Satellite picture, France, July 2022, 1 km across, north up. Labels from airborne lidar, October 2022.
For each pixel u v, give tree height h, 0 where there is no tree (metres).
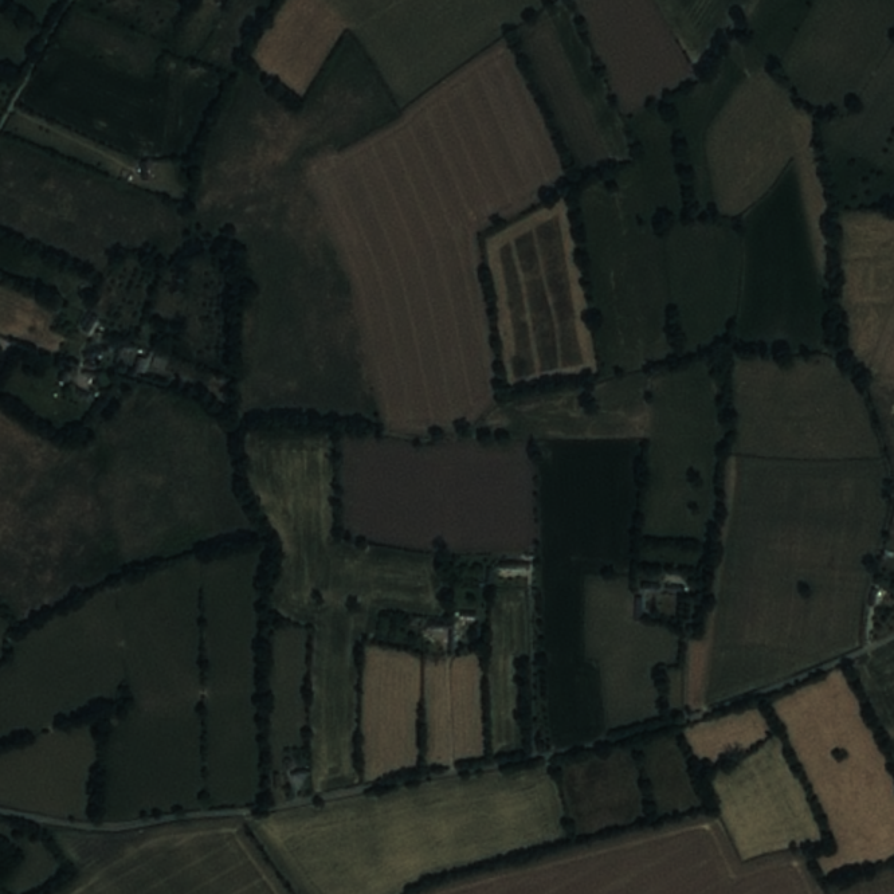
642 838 0
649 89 0
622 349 0
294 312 0
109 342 13
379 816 0
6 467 0
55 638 0
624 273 0
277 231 0
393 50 0
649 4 0
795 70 0
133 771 0
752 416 0
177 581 0
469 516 0
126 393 17
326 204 0
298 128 0
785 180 0
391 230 0
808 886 0
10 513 0
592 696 0
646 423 0
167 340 13
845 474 0
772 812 0
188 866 0
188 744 0
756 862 0
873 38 0
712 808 18
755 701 16
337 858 0
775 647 0
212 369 6
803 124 0
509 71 0
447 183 0
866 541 0
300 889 0
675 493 0
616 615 0
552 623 0
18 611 0
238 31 0
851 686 11
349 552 0
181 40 0
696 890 0
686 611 11
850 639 0
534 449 13
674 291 0
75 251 0
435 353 0
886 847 0
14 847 11
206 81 0
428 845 0
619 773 0
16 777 0
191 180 14
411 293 0
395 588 0
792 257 0
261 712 14
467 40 0
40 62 14
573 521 0
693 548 10
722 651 0
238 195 0
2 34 0
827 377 0
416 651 6
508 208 0
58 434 15
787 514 0
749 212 0
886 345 0
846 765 0
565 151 15
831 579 0
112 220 0
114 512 0
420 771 13
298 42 0
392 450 0
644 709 0
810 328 0
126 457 0
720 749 0
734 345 8
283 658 0
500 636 0
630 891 0
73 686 0
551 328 0
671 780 0
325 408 0
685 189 15
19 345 14
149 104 0
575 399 0
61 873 12
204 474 0
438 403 0
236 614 0
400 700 0
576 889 0
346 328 0
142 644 0
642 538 15
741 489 0
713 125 0
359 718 6
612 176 13
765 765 0
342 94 0
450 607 15
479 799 0
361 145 0
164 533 0
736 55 0
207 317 6
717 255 0
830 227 21
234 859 0
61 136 0
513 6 0
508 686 0
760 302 0
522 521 0
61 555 0
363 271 0
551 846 13
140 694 0
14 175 0
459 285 0
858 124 0
